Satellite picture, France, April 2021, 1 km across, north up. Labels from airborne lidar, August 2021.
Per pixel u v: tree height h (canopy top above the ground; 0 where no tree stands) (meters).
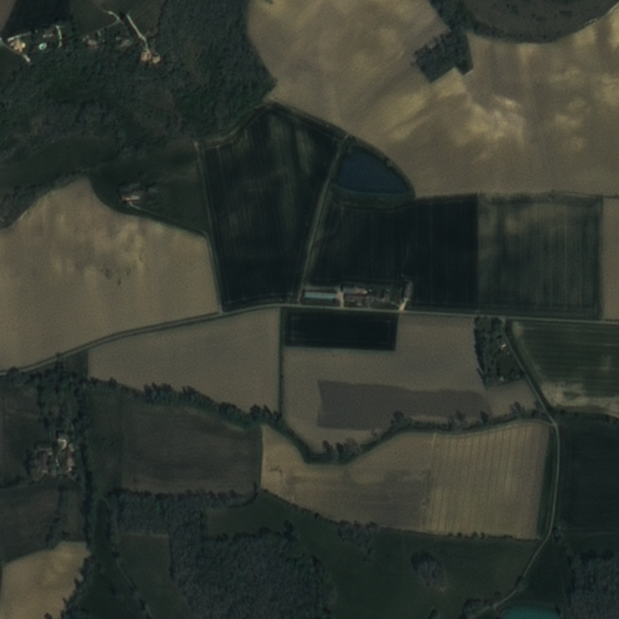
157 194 0
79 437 11
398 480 0
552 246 0
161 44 15
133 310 0
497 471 0
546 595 0
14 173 0
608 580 22
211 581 16
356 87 0
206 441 0
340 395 0
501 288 0
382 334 0
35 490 0
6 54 0
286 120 0
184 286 0
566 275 0
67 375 15
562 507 0
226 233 0
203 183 0
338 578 0
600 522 0
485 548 0
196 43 9
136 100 10
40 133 12
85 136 14
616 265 0
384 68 0
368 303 13
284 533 0
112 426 0
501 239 0
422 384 0
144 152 16
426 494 0
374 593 0
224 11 25
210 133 8
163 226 0
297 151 0
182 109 6
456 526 0
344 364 0
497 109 0
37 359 0
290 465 0
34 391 0
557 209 0
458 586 0
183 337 0
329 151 0
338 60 0
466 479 0
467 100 0
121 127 6
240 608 20
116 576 0
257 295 0
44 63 15
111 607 0
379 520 0
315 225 0
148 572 0
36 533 0
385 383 0
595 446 0
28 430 0
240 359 0
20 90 15
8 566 0
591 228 0
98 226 0
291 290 0
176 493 0
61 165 0
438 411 0
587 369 0
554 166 0
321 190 0
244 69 27
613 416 0
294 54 0
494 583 0
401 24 0
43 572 0
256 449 0
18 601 0
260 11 0
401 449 0
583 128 0
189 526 15
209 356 0
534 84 0
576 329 0
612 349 0
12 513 0
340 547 0
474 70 0
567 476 0
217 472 0
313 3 0
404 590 0
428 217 0
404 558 0
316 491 0
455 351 0
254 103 11
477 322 7
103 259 0
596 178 0
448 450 0
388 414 0
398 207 0
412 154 0
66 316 0
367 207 0
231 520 0
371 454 0
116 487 0
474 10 0
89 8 0
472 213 0
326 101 0
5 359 0
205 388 0
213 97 10
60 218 0
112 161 9
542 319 0
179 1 19
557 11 0
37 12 0
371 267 0
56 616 0
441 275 0
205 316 0
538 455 0
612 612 20
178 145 0
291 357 0
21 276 0
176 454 0
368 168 0
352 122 0
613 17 0
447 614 0
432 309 0
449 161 0
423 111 0
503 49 0
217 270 0
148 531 14
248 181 0
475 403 0
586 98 0
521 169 0
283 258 0
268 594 20
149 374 0
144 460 0
